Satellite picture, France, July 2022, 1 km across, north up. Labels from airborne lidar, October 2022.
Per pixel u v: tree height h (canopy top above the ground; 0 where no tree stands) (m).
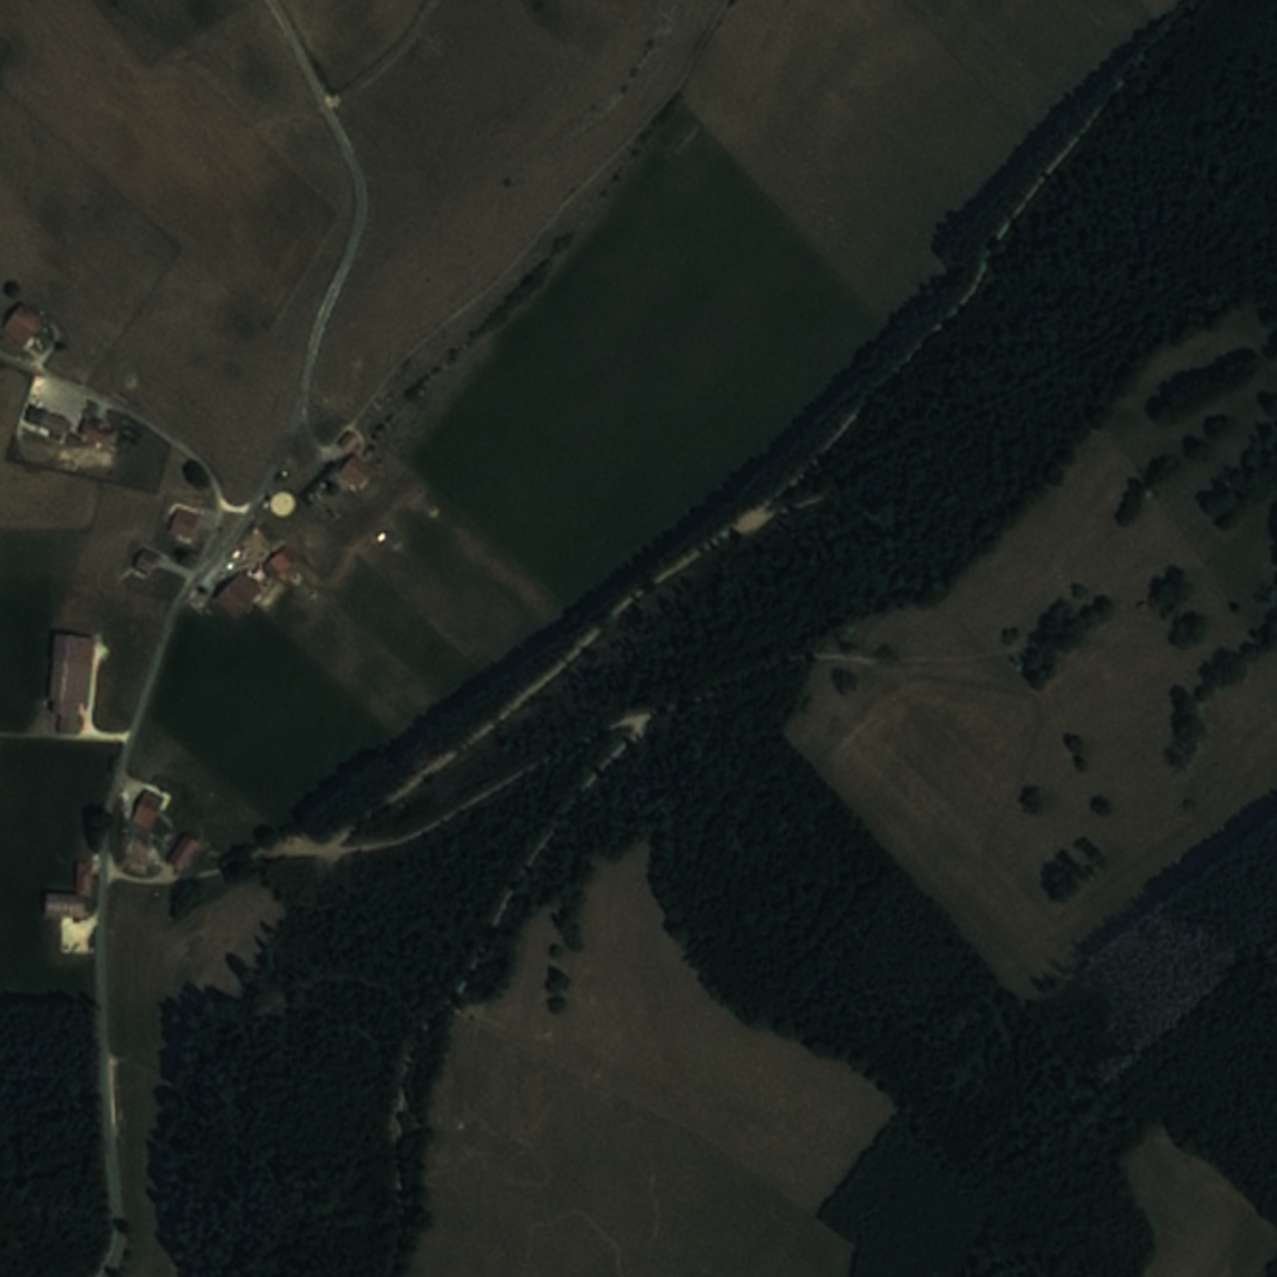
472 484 0
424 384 6
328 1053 8
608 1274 0
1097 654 0
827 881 6
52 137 0
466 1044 0
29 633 0
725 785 15
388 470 0
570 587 0
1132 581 0
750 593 10
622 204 0
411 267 0
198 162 0
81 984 0
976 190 0
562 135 0
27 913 0
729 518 22
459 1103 0
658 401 0
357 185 0
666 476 0
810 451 23
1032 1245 12
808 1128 0
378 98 0
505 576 0
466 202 0
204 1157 12
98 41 0
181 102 0
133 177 0
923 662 0
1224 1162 14
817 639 12
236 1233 37
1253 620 0
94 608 0
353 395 0
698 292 0
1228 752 0
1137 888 0
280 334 0
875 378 21
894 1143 10
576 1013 0
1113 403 7
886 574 11
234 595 0
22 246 0
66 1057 29
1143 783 0
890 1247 10
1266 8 7
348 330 0
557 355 0
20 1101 27
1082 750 7
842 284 0
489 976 8
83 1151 16
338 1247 10
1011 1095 9
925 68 0
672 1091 0
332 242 0
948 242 17
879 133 0
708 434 0
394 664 0
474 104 0
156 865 0
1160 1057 13
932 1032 12
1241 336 0
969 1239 10
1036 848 0
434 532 0
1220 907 24
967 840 0
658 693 15
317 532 0
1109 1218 15
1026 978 0
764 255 0
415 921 12
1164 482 9
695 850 13
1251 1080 16
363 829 9
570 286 0
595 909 0
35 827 0
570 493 0
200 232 0
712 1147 0
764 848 12
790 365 0
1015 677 0
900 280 0
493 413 0
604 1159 0
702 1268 0
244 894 0
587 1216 0
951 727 0
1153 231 14
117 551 0
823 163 0
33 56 0
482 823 9
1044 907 0
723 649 11
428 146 0
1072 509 0
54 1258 13
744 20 0
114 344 0
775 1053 0
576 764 6
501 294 0
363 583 0
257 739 0
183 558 17
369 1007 12
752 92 0
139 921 0
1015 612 0
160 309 0
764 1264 0
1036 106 0
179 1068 34
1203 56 9
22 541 0
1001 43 0
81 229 0
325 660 0
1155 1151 0
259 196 0
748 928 15
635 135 0
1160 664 0
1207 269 7
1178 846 0
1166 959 29
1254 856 31
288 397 0
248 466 0
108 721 0
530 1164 0
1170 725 0
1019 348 8
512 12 0
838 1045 13
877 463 7
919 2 0
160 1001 0
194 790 0
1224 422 13
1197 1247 0
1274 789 0
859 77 0
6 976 0
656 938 0
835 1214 8
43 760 0
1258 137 6
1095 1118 18
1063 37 0
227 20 0
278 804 0
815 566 7
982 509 8
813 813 13
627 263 0
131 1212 0
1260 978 11
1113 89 20
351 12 0
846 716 0
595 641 0
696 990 0
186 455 0
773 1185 0
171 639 0
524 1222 0
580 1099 0
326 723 0
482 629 0
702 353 0
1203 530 0
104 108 0
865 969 18
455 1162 0
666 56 0
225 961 0
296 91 0
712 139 0
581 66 0
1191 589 10
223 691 0
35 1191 18
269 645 0
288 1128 8
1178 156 10
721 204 0
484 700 23
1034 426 6
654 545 0
